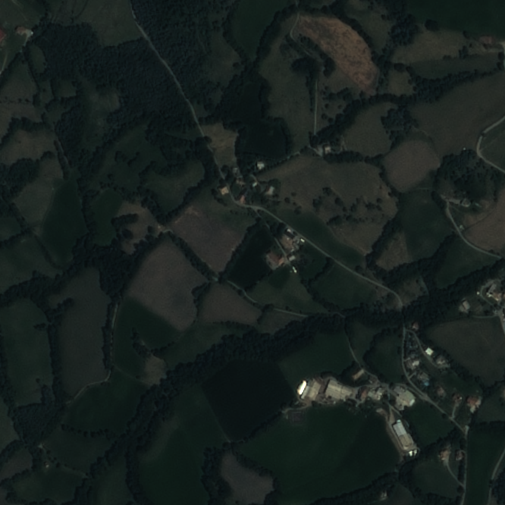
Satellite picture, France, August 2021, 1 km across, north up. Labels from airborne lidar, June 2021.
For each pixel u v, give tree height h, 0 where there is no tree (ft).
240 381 0
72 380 0
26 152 0
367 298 0
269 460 0
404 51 0
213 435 0
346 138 0
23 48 22
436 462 0
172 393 72
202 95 32
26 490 0
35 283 67
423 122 0
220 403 0
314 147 41
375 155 0
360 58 0
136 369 0
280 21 40
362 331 0
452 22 0
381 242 55
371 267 50
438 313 76
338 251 0
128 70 51
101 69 38
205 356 50
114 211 0
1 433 0
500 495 57
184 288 0
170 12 39
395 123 34
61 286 58
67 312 31
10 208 29
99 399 0
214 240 0
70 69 47
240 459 25
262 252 0
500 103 0
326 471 0
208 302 0
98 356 0
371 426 0
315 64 65
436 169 0
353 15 0
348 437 0
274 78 0
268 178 0
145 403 63
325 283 0
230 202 0
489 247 0
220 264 0
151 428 58
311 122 0
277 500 43
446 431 0
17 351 0
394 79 0
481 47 0
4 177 47
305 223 0
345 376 45
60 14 0
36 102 31
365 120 0
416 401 28
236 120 0
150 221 0
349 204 0
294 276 0
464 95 0
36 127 51
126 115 48
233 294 0
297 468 0
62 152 21
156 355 57
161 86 56
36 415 58
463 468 39
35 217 0
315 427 0
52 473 0
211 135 0
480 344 0
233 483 0
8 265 0
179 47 31
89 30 46
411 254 0
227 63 0
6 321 0
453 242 38
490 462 0
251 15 0
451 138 0
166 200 0
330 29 0
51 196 0
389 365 0
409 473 37
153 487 0
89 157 50
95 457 0
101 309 0
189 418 0
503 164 0
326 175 0
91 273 0
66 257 0
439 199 29
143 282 0
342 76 0
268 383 0
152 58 45
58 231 0
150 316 0
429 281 53
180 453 0
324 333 54
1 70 0
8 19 0
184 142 45
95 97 0
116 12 0
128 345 0
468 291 70
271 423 52
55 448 0
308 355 0
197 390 0
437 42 0
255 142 0
